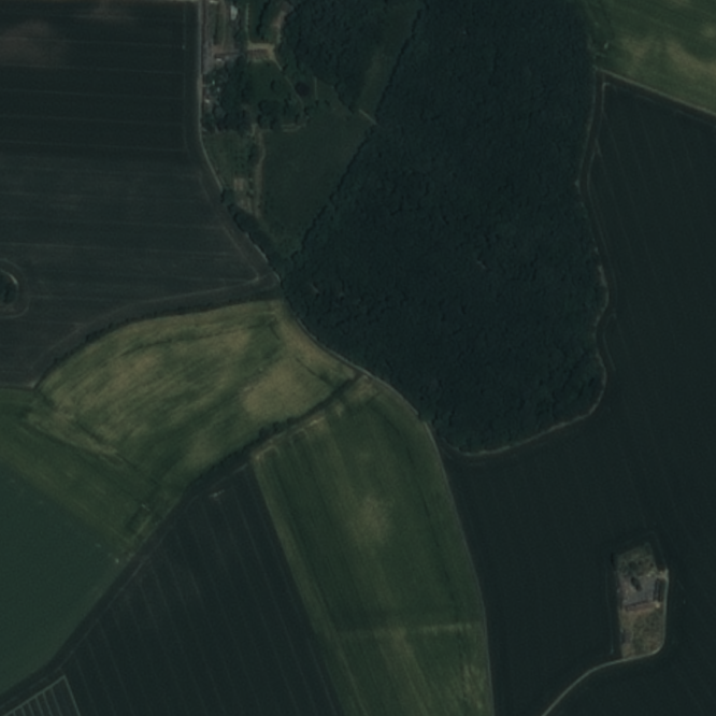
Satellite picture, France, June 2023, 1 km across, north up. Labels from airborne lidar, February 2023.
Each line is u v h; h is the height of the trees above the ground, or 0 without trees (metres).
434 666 0
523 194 24
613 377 0
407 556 0
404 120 24
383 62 0
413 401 18
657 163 0
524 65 25
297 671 0
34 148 0
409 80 25
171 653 0
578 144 23
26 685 0
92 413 0
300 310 15
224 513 0
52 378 0
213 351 0
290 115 14
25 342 0
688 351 0
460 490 0
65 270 0
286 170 0
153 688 0
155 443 0
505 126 25
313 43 26
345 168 0
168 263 0
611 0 0
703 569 0
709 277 0
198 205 0
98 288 0
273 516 0
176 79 0
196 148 0
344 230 26
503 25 25
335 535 0
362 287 25
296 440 0
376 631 0
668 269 0
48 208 0
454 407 21
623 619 0
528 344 25
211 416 0
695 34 0
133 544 0
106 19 0
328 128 0
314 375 0
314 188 0
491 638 0
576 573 0
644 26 0
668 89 0
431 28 23
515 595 0
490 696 0
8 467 0
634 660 0
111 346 0
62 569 0
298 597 0
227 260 0
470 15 23
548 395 24
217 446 0
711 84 0
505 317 28
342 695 0
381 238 27
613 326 0
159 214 0
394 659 0
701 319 0
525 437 20
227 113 16
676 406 0
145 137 0
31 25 0
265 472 0
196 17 0
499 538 0
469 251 24
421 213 19
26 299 0
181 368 0
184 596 0
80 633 0
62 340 0
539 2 23
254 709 0
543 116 25
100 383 0
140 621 0
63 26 0
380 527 0
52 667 0
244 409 0
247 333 0
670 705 0
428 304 25
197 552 0
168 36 0
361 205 24
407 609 0
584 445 0
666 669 0
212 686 0
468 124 25
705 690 0
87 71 0
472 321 27
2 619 0
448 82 23
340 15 30
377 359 19
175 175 0
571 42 25
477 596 0
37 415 0
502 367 25
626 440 0
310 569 0
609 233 0
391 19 0
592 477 0
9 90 0
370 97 0
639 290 0
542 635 0
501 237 24
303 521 0
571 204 22
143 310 0
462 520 0
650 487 0
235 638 0
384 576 0
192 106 0
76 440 0
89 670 0
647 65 0
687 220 0
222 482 0
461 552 0
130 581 0
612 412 0
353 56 27
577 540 0
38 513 0
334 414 0
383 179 15
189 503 0
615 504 0
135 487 0
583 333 22
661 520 0
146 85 0
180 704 0
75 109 0
